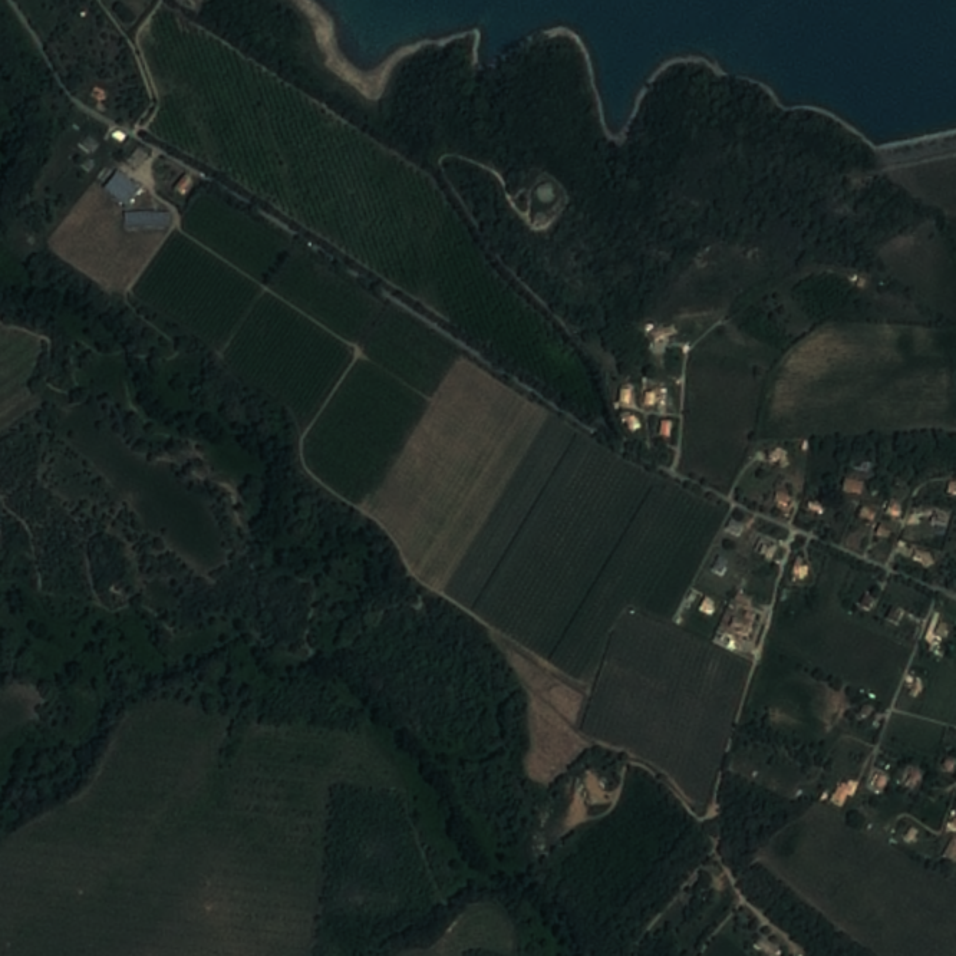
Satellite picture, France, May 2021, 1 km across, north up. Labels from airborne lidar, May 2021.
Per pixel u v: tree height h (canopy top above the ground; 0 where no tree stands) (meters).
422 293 0
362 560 12
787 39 0
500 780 14
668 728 0
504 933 0
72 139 0
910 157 0
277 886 0
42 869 0
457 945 0
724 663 0
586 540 0
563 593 0
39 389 12
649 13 0
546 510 0
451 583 0
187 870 0
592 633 0
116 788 0
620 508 0
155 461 9
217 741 0
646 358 12
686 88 7
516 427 0
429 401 0
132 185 0
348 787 7
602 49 0
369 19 0
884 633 0
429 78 8
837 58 0
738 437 0
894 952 0
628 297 6
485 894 12
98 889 0
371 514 0
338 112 12
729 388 0
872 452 11
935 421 0
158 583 0
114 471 0
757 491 0
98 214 0
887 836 0
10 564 11
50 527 7
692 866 10
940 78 0
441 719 7
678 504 0
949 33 0
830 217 7
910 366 0
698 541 0
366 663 8
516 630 0
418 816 17
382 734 0
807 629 0
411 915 11
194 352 9
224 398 13
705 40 0
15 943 0
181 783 0
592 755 9
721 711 0
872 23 0
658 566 0
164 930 0
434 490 0
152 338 9
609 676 0
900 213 9
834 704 0
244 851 0
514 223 9
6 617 0
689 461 0
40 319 15
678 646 0
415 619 9
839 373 0
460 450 0
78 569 8
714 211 9
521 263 7
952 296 0
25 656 14
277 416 10
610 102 0
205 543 0
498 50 0
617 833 6
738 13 0
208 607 13
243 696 17
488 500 0
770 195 11
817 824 0
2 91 20
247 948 0
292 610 6
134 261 0
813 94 0
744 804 8
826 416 0
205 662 18
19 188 10
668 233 10
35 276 19
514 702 16
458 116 6
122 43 7
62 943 0
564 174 7
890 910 0
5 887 0
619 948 8
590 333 12
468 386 0
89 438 0
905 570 8
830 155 7
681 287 0
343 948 6
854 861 0
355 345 0
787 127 8
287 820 0
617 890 8
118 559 8
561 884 10
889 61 0
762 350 0
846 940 12
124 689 14
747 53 0
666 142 8
